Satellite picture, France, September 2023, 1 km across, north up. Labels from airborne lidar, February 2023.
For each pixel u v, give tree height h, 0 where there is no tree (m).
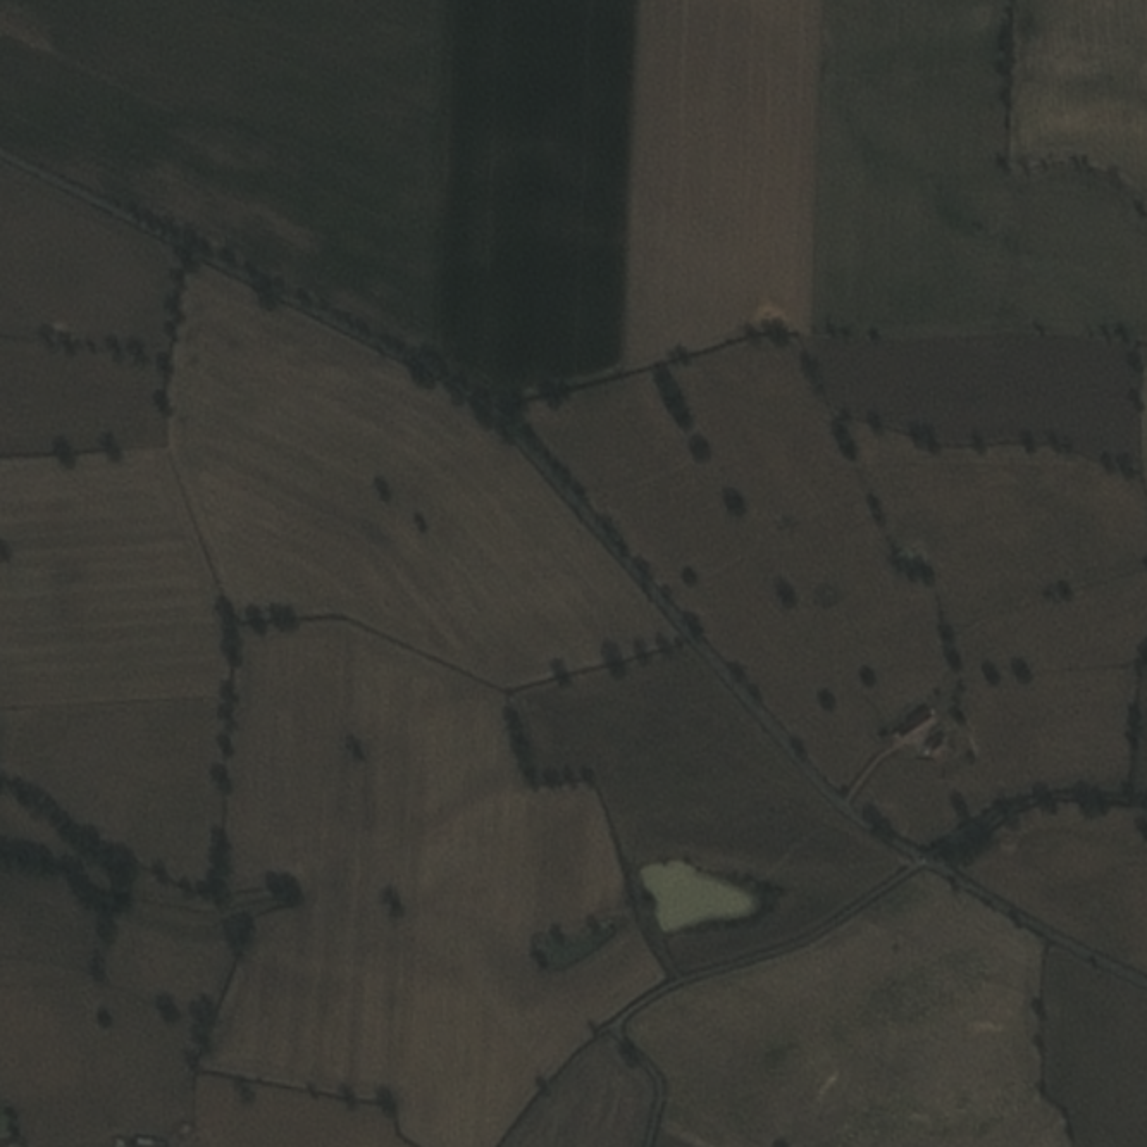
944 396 0
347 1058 0
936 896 0
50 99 0
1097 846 0
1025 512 0
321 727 0
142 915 0
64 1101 0
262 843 0
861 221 0
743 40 0
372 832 0
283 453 0
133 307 0
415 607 0
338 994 0
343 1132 0
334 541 0
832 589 0
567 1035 0
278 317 0
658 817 0
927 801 0
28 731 0
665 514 0
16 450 0
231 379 0
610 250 0
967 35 0
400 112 0
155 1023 0
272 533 0
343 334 0
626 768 0
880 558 0
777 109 0
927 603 0
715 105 0
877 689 0
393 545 0
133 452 0
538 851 0
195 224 0
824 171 0
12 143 0
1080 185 0
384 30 0
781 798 0
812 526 0
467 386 9
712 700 0
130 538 0
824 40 0
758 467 0
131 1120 0
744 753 0
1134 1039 0
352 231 0
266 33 0
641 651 14
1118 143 0
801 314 0
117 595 0
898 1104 0
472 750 0
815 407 0
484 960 0
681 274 0
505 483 0
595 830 0
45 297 0
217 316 0
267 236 0
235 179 0
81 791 0
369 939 0
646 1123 0
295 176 0
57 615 0
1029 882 0
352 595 0
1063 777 0
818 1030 0
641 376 0
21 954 0
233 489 0
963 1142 0
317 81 0
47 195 0
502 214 0
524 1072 0
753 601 0
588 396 0
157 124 0
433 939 0
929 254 0
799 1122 0
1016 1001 0
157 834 0
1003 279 0
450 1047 0
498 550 0
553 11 0
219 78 0
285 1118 0
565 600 0
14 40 0
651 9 0
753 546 0
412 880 0
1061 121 0
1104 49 0
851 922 0
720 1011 0
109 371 0
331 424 0
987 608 0
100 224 0
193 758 0
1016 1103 0
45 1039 0
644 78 0
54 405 0
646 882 0
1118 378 0
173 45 0
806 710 0
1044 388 0
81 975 0
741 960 0
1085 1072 0
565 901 0
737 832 0
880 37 0
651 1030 0
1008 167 12
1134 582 0
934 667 0
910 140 0
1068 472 0
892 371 0
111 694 0
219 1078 0
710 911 0
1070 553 0
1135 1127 0
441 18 0
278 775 0
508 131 0
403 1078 0
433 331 0
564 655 0
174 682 0
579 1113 0
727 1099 0
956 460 0
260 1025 0
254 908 0
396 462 0
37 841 0
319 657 0
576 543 0
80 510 0
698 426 0
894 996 0
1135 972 0
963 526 0
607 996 0
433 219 0
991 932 0
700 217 0
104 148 0
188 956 0
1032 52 0
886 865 0
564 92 0
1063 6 0
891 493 0
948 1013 0
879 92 0
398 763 0
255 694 0
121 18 0
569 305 0
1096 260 0
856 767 0
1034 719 0
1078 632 0
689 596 0
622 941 0
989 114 0
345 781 0
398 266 0
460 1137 0
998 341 0
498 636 0
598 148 0
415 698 0
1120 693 0
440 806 0
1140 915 0
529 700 0
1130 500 0
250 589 0
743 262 0
